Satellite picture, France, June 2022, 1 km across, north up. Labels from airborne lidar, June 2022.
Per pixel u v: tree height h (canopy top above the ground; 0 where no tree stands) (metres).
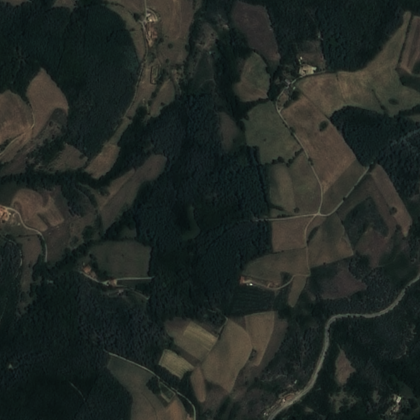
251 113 0
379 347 8
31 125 0
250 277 0
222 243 24
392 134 24
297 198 0
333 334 11
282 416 6
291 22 9
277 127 0
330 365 8
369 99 0
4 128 0
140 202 17
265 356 0
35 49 19
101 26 19
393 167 25
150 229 28
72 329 14
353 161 0
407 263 0
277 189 0
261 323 0
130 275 0
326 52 16
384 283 11
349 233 0
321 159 0
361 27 21
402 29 0
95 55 18
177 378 13
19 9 19
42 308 21
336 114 17
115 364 0
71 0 0
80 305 22
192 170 9
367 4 20
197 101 22
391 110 0
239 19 0
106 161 0
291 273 0
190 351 0
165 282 12
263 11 0
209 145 27
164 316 15
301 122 0
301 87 0
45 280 20
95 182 16
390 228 0
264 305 0
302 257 0
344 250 0
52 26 16
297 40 6
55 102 0
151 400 0
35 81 0
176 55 0
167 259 13
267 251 18
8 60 20
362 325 12
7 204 0
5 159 0
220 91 7
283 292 0
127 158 16
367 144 31
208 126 21
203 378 0
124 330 14
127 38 20
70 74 17
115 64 19
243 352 0
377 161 11
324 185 0
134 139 23
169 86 0
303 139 0
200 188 13
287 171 0
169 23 0
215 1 9
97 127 17
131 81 14
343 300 10
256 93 0
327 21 21
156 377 8
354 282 0
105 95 15
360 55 13
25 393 12
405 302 9
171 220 30
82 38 13
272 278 0
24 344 19
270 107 0
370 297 8
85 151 17
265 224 24
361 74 0
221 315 8
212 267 21
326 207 0
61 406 7
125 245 0
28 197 0
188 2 0
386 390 6
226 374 0
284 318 9
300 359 13
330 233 0
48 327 17
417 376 7
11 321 13
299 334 12
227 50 16
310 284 0
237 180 26
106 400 17
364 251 0
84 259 0
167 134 15
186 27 0
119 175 16
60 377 14
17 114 0
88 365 21
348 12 15
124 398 16
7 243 8
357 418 15
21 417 14
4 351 19
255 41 0
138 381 0
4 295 14
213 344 0
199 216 11
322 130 6
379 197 0
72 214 12
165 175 18
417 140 19
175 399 0
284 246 0
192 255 17
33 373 13
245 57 6
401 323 7
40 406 6
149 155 12
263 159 0
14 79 15
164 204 16
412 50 0
